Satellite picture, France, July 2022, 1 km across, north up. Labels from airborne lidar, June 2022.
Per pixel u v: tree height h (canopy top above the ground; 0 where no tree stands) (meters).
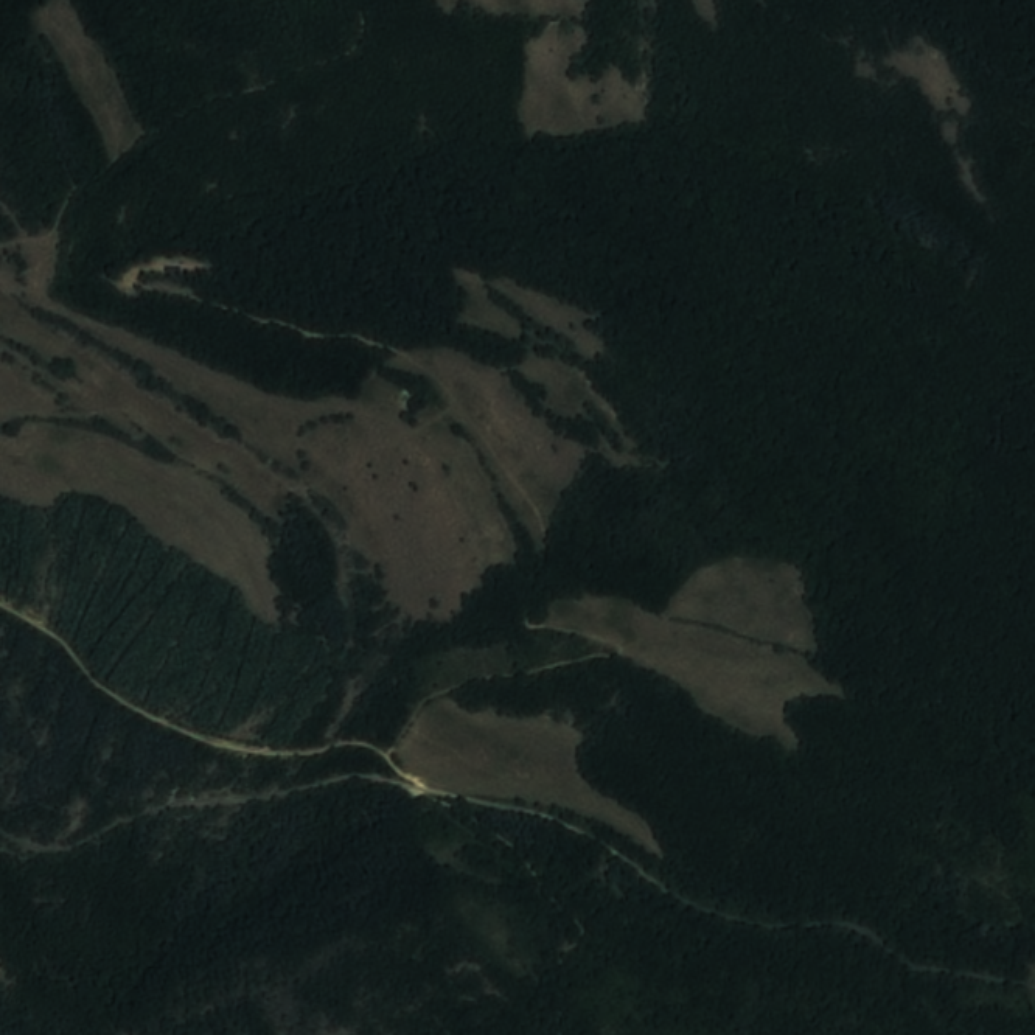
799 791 8
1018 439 18
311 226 11
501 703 8
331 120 9
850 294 16
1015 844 15
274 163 10
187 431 0
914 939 13
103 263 8
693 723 10
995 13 22
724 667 0
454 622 7
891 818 13
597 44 10
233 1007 8
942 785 13
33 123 9
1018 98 8
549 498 0
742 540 7
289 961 8
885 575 8
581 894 7
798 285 16
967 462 9
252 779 7
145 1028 10
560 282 10
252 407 0
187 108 8
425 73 8
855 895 17
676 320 15
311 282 9
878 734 8
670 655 0
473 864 7
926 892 8
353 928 9
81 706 10
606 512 9
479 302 0
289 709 8
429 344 7
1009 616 12
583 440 8
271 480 0
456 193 15
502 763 0
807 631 0
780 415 14
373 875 12
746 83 10
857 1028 9
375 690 15
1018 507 16
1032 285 9
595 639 0
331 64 7
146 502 0
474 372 0
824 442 16
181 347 6
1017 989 12
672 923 11
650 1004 8
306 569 9
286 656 7
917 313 21
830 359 11
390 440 0
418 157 11
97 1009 16
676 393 10
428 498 0
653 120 9
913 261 10
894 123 7
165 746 11
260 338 10
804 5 10
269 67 8
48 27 0
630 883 11
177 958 13
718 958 14
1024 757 17
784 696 0
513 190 19
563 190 17
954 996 13
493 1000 6
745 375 13
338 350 7
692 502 7
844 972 12
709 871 10
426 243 12
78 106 6
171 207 12
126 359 8
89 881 14
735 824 9
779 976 12
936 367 18
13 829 11
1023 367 21
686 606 0
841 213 19
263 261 12
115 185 10
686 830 7
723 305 16
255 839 8
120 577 8
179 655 7
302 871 12
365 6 8
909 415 10
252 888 9
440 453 0
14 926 15
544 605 14
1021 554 21
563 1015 9
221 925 14
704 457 10
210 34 8
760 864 9
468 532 0
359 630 8
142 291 8
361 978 6
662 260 16
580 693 11
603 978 9
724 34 8
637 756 9
